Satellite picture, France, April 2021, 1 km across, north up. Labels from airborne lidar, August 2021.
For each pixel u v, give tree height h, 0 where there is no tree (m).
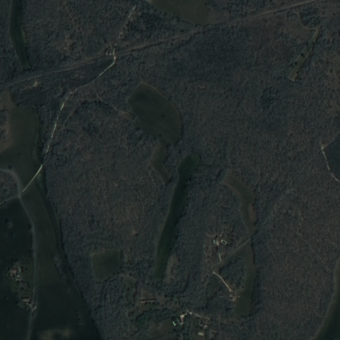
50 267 0
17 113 0
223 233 9
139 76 15
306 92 11
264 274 12
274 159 9
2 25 16
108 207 8
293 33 0
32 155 0
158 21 13
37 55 16
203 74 10
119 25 13
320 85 11
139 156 15
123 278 6
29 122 0
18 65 19
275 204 15
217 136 12
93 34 12
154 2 0
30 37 10
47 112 6
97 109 9
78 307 0
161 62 17
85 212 15
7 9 18
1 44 13
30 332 0
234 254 0
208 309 12
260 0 12
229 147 14
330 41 11
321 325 17
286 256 9
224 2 0
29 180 0
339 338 0
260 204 16
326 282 11
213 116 12
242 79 12
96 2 13
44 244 0
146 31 6
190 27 15
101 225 11
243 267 12
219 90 13
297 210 12
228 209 12
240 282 11
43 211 0
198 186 13
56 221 0
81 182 15
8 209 0
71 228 12
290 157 11
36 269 0
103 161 12
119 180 14
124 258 16
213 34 17
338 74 10
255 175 13
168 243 0
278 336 15
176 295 9
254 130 16
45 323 0
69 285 0
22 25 11
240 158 11
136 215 11
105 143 10
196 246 14
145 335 8
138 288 18
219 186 14
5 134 13
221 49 17
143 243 15
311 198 10
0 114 12
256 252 19
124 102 14
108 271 0
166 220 0
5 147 0
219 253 16
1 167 0
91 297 15
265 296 12
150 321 16
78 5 8
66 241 14
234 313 13
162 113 0
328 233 9
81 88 13
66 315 0
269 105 14
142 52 11
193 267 14
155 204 10
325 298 12
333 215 10
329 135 9
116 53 0
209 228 16
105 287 10
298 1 9
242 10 10
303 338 12
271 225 11
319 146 10
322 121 14
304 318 12
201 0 0
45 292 0
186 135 20
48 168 18
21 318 0
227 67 20
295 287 11
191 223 12
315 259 9
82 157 16
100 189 8
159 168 0
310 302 11
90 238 12
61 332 0
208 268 14
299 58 0
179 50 16
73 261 20
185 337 12
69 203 9
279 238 11
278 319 13
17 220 0
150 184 13
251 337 17
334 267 14
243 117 14
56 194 19
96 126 12
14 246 0
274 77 9
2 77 9
